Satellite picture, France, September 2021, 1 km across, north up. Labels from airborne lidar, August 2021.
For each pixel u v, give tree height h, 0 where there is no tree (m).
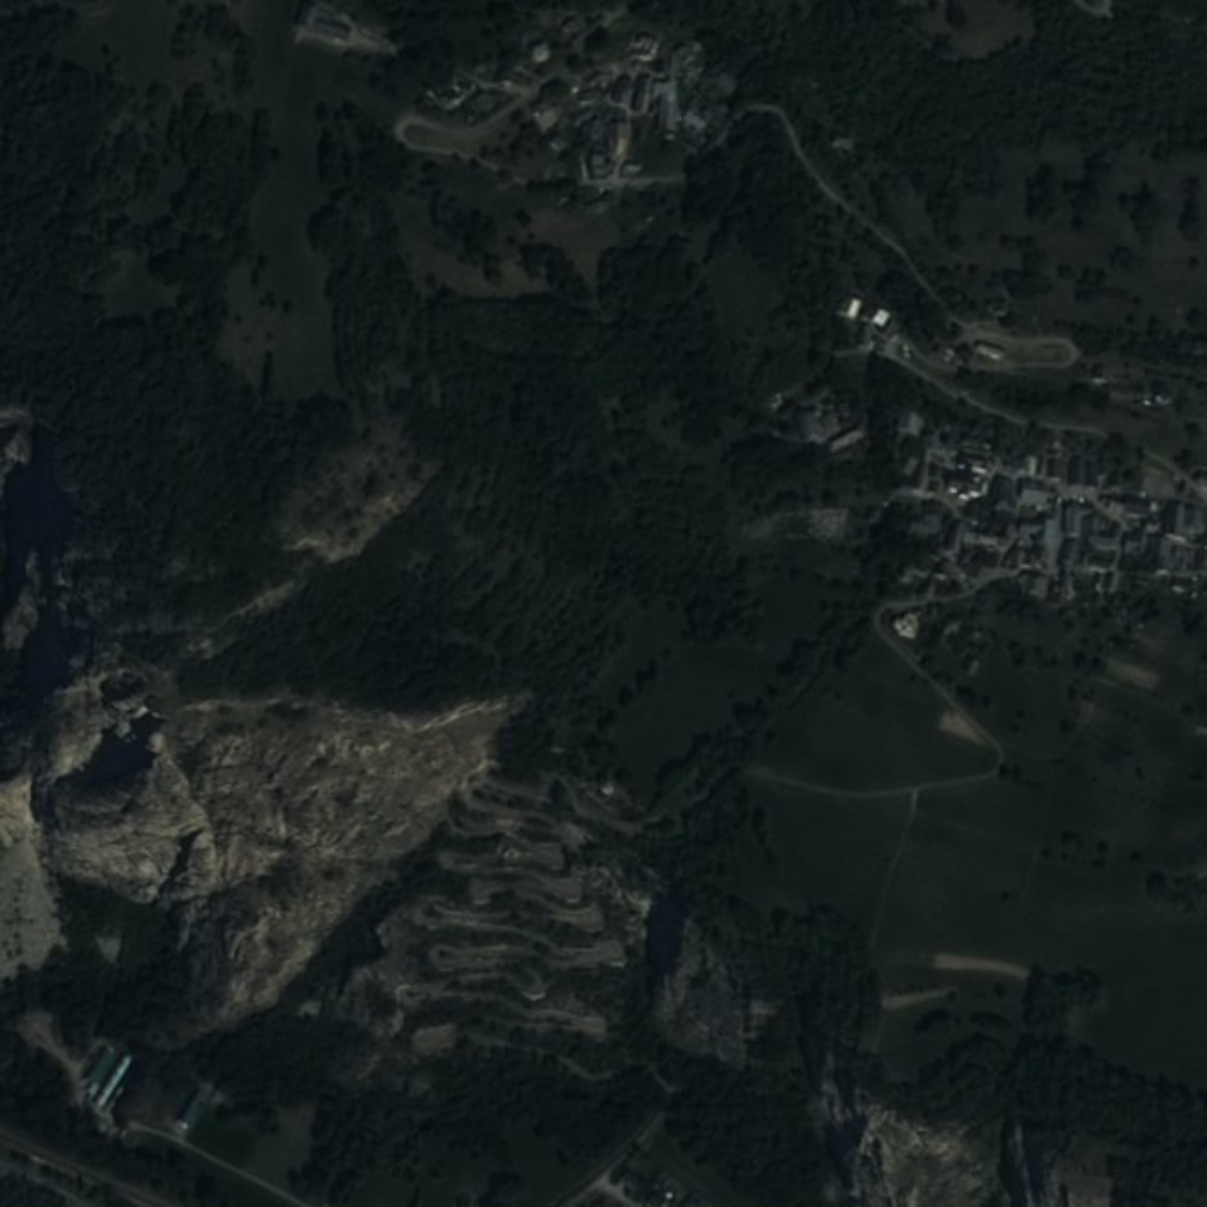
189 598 9
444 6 17
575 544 8
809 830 0
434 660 11
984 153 9
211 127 15
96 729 0
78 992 17
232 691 7
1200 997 0
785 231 26
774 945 9
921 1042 0
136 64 0
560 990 11
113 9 0
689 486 11
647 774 0
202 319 9
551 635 11
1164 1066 0
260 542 12
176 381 8
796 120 11
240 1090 19
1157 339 9
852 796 0
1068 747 0
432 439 8
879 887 0
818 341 14
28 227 15
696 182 23
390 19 15
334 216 8
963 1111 20
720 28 15
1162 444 0
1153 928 0
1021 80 8
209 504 12
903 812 0
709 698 0
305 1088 15
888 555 12
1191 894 12
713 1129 15
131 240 8
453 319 19
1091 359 8
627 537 17
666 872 14
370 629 13
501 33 13
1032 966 0
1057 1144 9
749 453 15
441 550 8
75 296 8
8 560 7
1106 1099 14
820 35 10
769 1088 12
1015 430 7
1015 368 0
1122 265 11
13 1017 9
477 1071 14
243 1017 7
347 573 9
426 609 13
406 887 12
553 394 18
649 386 18
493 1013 18
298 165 0
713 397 12
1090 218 13
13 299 13
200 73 0
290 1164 0
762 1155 14
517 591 8
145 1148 0
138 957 10
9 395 12
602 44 17
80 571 7
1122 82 8
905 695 0
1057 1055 15
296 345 0
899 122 7
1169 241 0
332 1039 9
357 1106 8
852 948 16
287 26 0
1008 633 0
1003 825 0
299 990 10
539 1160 0
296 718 9
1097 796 0
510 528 9
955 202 11
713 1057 9
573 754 6
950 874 0
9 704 10
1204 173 0
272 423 18
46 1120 27
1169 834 0
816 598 0
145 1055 19
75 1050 15
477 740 0
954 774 0
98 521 6
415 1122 8
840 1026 13
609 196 7
